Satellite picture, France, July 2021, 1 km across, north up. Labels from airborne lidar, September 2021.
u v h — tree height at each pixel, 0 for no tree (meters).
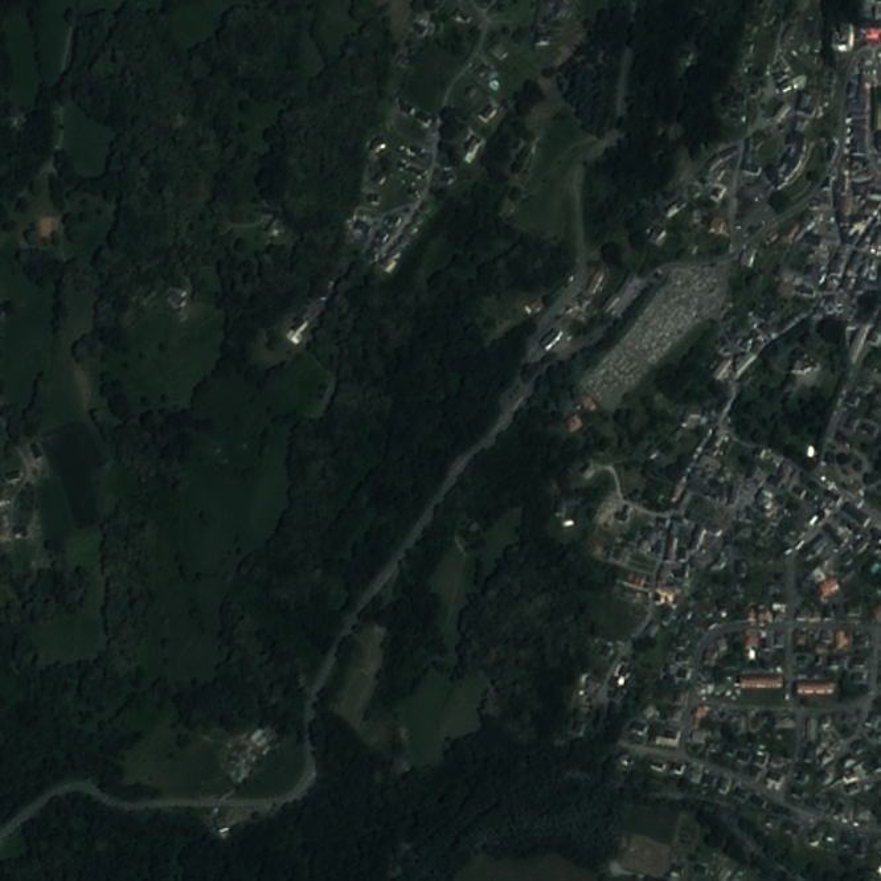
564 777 12
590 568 19
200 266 21
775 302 8
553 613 15
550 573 26
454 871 27
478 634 21
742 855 23
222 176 11
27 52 0
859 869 9
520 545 13
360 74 22
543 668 24
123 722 20
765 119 0
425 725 0
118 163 20
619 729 15
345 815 22
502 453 9
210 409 0
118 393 23
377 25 20
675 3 18
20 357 0
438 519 15
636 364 0
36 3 13
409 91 0
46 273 20
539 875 0
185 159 24
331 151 21
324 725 23
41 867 25
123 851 17
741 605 6
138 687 19
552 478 15
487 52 0
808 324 14
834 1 31
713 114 18
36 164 25
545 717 16
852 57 0
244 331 26
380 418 14
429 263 0
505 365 28
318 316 0
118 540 22
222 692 18
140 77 22
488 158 12
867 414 6
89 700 28
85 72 15
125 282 16
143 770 0
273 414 11
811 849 0
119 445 20
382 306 23
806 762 7
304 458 20
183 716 16
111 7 0
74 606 14
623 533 6
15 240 0
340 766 6
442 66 0
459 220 13
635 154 19
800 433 18
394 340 25
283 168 20
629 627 0
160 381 0
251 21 17
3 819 13
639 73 21
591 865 25
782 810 12
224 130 17
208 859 28
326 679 0
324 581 21
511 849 15
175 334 0
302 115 23
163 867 26
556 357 15
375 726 0
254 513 0
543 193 0
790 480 0
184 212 22
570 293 0
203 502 0
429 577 16
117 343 25
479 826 25
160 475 20
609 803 23
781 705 0
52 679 21
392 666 12
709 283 0
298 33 10
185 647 0
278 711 25
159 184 24
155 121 22
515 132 17
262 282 17
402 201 0
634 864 0
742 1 12
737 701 0
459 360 23
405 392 22
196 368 0
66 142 0
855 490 0
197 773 0
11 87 14
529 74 0
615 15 22
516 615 23
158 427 26
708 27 20
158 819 17
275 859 23
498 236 14
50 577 15
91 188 17
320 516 27
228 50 24
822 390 8
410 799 29
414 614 12
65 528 0
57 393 0
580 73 20
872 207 0
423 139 0
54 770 27
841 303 0
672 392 12
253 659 28
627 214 9
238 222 14
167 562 0
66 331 19
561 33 0
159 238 18
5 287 0
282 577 22
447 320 25
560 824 34
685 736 0
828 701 0
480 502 14
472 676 19
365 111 25
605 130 21
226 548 0
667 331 0
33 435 17
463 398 20
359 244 0
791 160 0
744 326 7
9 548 0
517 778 25
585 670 10
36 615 24
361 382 14
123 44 18
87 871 15
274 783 0
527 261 20
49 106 11
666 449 9
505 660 21
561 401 21
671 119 21
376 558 23
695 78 29
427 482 21
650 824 0
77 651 0
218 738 0
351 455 9
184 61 20
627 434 9
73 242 14
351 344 16
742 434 12
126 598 23
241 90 13
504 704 22
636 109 21
